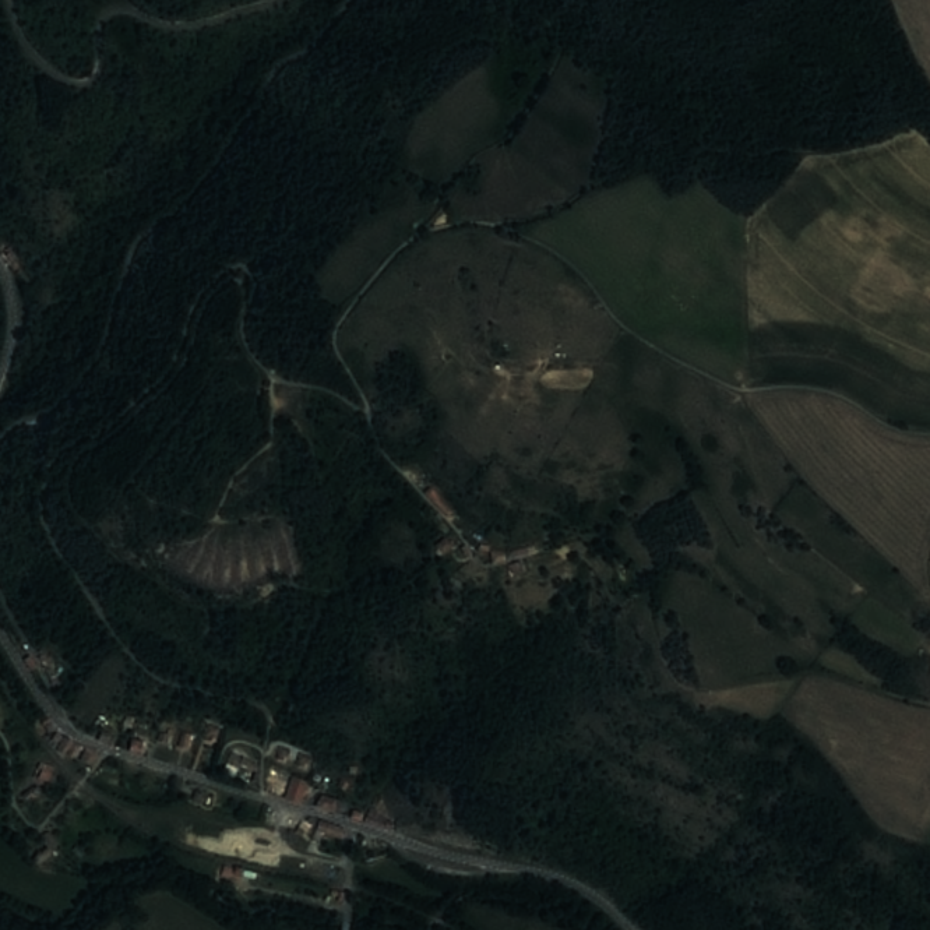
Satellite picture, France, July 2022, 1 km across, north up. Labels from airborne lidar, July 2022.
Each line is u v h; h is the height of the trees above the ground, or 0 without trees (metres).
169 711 12
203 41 11
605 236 0
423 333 0
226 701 11
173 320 12
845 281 0
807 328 0
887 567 0
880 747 0
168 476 7
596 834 8
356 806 6
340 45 13
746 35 16
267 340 12
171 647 19
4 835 19
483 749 21
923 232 0
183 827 0
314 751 6
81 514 8
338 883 0
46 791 12
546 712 14
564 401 0
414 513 0
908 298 0
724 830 5
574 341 0
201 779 0
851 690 0
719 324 0
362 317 0
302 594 12
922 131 12
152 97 7
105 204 8
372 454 9
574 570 0
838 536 0
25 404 22
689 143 11
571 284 0
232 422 7
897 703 0
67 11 9
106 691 0
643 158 7
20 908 10
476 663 11
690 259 0
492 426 0
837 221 0
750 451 0
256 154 26
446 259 0
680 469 0
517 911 16
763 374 0
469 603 10
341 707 17
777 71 7
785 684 0
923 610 0
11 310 0
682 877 10
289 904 9
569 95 0
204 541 0
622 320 0
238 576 0
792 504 0
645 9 10
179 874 20
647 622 0
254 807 0
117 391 12
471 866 0
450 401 0
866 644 7
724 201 10
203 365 10
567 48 15
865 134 13
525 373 0
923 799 0
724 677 0
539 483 0
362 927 17
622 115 10
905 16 0
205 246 12
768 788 9
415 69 10
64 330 29
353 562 16
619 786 7
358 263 0
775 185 12
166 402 7
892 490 0
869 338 0
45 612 13
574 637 8
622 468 0
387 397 12
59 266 10
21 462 16
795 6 11
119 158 20
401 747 10
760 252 0
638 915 14
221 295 10
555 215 7
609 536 14
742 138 8
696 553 0
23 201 26
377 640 7
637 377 0
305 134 21
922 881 8
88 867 15
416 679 8
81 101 7
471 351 0
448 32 13
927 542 0
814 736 0
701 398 0
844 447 0
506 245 0
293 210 22
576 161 0
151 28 9
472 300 0
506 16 23
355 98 13
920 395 0
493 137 0
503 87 0
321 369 9
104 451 9
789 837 10
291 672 7
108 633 15
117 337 10
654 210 0
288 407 0
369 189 9
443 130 0
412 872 12
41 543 7
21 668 0
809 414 0
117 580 10
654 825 9
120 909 11
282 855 0
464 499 11
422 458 0
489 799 21
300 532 10
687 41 15
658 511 9
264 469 0
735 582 0
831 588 0
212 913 12
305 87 6
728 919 15
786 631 0
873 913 9
